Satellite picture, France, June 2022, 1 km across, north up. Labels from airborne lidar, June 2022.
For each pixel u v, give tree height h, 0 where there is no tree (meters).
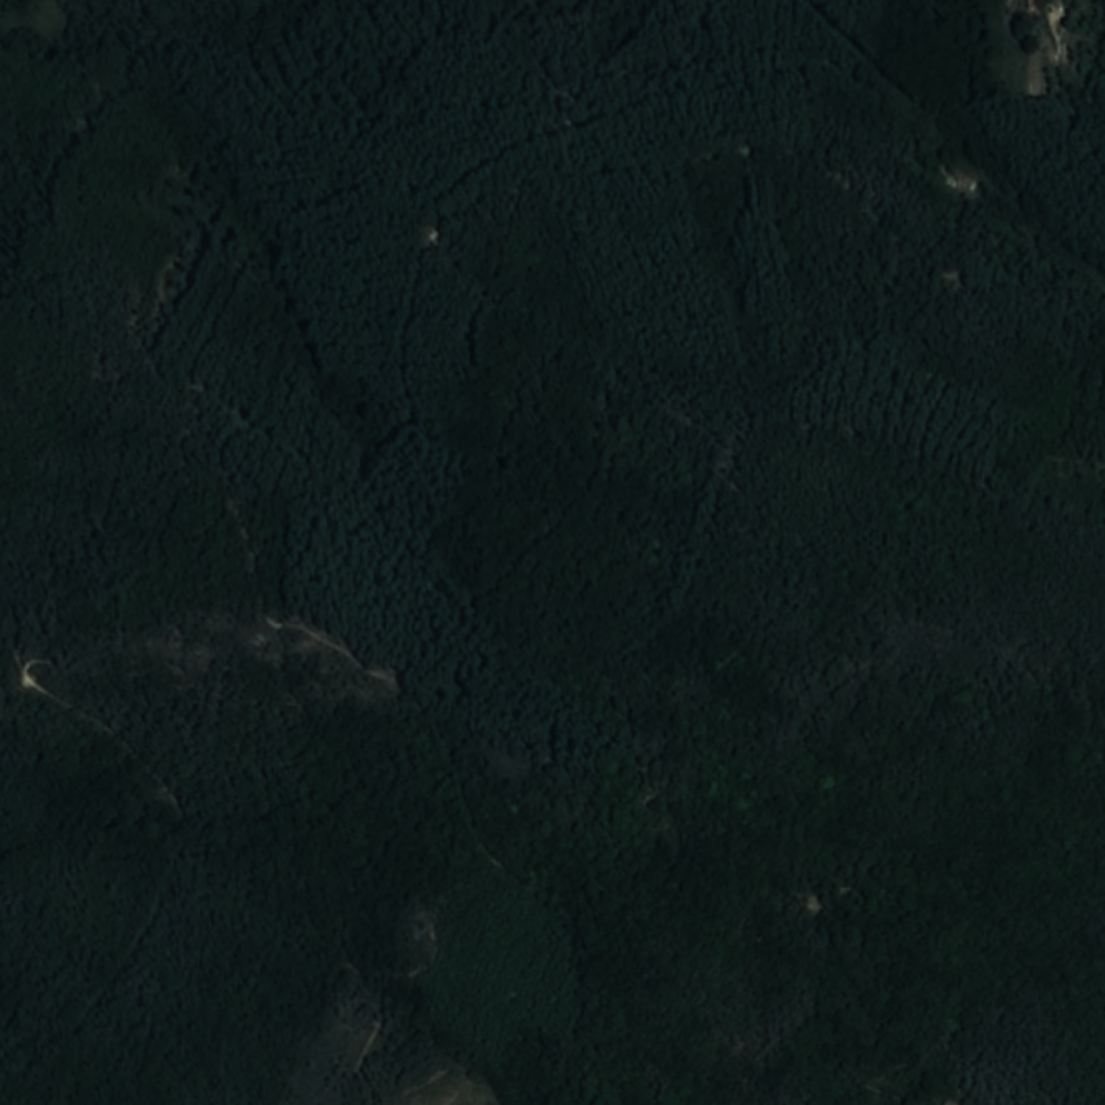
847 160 14
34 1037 20
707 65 23
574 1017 8
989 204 12
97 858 18
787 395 23
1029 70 0
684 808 13
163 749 19
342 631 24
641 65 32
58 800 21
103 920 14
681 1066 16
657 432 15
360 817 17
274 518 17
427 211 25
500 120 30
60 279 19
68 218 21
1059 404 18
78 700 8
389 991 12
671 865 14
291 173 25
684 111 31
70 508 21
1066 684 9
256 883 17
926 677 16
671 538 16
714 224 18
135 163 20
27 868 23
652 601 17
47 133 22
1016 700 16
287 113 17
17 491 20
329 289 21
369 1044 0
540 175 29
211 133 14
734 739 17
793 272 18
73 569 12
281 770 18
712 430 22
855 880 11
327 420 32
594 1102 8
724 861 14
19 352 17
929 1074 17
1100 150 32
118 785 22
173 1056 17
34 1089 15
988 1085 16
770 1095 13
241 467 23
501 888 9
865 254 13
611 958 17
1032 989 20
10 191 19
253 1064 18
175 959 15
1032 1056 19
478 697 31
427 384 28
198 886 19
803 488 15
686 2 33
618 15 20
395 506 29
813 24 33
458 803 14
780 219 17
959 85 24
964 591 20
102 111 8
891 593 12
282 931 15
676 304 31
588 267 29
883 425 28
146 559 16
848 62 30
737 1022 9
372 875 17
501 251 18
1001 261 21
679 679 15
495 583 18
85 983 16
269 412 27
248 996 18
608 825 14
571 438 16
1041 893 14
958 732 14
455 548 29
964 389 19
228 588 10
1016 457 20
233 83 33
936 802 15
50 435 15
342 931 18
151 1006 21
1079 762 16
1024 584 17
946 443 25
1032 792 13
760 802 16
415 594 36
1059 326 27
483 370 19
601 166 33
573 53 33
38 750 12
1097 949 17
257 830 23
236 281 24
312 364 25
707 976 14
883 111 25
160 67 24
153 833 29
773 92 23
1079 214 32
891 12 21
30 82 18
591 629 20
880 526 19
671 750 12
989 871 13
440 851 7
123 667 8
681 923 16
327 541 35
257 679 13
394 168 28
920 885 11
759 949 16
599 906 12
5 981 22
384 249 35
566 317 16
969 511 14
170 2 18
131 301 13
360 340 33
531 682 18
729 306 26
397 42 28
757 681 15
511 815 11
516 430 21
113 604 11
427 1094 0
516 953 8
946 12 26
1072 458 11
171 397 14
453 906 7
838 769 13
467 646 30
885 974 10
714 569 18
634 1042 19
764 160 15
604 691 16
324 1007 9
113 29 26
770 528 19
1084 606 15
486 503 23
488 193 30
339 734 12
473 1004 6
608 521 19
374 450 16
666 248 27
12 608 18
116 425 15
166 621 10
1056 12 0
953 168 11
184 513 15
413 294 28
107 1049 22
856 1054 8
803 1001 24
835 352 24
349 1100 8
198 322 21
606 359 13
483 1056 9
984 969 12
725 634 16
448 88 35
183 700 16
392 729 8
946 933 12
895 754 15
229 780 16
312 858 22
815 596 9
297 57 28
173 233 24
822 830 12
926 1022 16
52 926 16
